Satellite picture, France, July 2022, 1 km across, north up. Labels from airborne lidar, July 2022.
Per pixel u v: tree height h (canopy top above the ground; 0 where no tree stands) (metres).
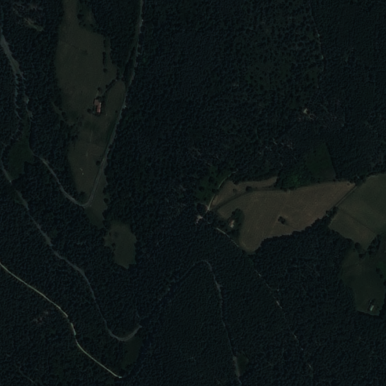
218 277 22
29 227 29
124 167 7
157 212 11
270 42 16
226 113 15
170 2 22
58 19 19
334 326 26
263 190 0
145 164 9
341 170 20
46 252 30
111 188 18
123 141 15
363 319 27
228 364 18
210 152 19
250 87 13
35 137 35
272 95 8
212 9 8
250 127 16
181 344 17
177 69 11
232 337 26
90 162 0
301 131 23
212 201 0
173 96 18
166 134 22
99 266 27
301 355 30
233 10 8
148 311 31
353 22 25
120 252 0
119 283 28
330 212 10
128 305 25
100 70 0
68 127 12
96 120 0
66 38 0
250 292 21
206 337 15
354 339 31
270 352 30
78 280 26
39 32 6
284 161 23
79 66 0
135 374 25
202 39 20
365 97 26
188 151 21
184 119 16
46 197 23
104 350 10
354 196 0
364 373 26
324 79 21
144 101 21
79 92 0
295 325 24
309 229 17
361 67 27
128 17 10
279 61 7
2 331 22
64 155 19
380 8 22
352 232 0
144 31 18
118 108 0
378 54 21
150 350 32
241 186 0
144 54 12
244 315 24
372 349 25
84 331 25
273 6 10
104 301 26
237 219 7
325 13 16
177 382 21
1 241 24
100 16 18
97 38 0
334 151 19
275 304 24
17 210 21
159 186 21
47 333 24
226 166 11
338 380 28
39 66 26
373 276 0
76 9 0
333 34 13
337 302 23
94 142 0
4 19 22
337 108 22
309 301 21
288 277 25
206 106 10
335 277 29
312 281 26
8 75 22
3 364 22
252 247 0
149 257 27
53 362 18
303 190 0
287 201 0
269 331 24
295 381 32
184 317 18
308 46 13
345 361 25
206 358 19
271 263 24
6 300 24
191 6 11
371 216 0
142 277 28
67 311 25
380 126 21
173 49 25
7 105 28
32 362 20
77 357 12
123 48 17
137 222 16
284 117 12
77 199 26
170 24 24
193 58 18
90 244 22
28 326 26
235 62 11
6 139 23
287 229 0
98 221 0
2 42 0
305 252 29
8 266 24
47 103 24
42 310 25
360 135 27
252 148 9
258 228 0
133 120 12
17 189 22
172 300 28
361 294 0
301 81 14
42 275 30
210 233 19
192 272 24
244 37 14
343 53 27
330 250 28
